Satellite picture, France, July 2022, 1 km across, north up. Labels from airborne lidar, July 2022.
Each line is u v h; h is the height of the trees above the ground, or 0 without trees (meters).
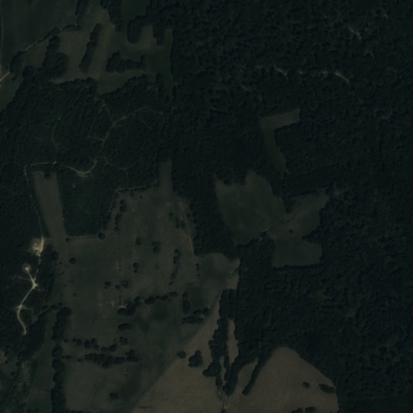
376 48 23
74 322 0
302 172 20
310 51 23
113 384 0
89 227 8
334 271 14
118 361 13
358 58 25
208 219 18
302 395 0
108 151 7
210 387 0
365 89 25
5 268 8
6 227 7
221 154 25
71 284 0
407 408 8
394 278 21
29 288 7
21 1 0
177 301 0
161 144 7
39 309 6
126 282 10
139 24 19
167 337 0
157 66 0
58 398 18
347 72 26
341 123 23
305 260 0
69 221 7
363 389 7
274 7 20
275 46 18
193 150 16
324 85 26
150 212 0
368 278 23
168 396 0
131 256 0
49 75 12
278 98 24
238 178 14
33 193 8
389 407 10
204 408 0
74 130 7
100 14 0
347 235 24
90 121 10
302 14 28
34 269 6
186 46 25
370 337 24
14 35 0
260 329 9
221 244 18
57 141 6
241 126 19
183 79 20
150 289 0
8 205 7
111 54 0
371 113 29
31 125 8
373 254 25
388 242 29
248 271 17
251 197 0
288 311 21
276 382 0
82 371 0
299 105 22
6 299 7
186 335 0
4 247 8
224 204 0
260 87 28
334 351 21
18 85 0
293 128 21
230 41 27
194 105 25
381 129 24
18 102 17
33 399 0
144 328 0
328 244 24
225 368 13
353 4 22
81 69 10
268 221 0
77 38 0
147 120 9
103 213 6
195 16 25
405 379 26
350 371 23
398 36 20
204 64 27
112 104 11
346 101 23
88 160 8
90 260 0
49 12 0
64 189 7
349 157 24
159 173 12
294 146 26
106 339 0
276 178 19
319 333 20
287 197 18
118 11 26
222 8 21
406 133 29
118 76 0
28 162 6
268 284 25
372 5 24
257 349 11
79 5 14
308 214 0
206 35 22
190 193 24
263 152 17
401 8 28
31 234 6
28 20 0
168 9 19
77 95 9
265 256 20
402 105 24
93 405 0
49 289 12
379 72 28
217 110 24
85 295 0
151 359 0
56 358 15
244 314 18
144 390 0
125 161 7
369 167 19
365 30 11
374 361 24
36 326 14
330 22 24
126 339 7
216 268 0
